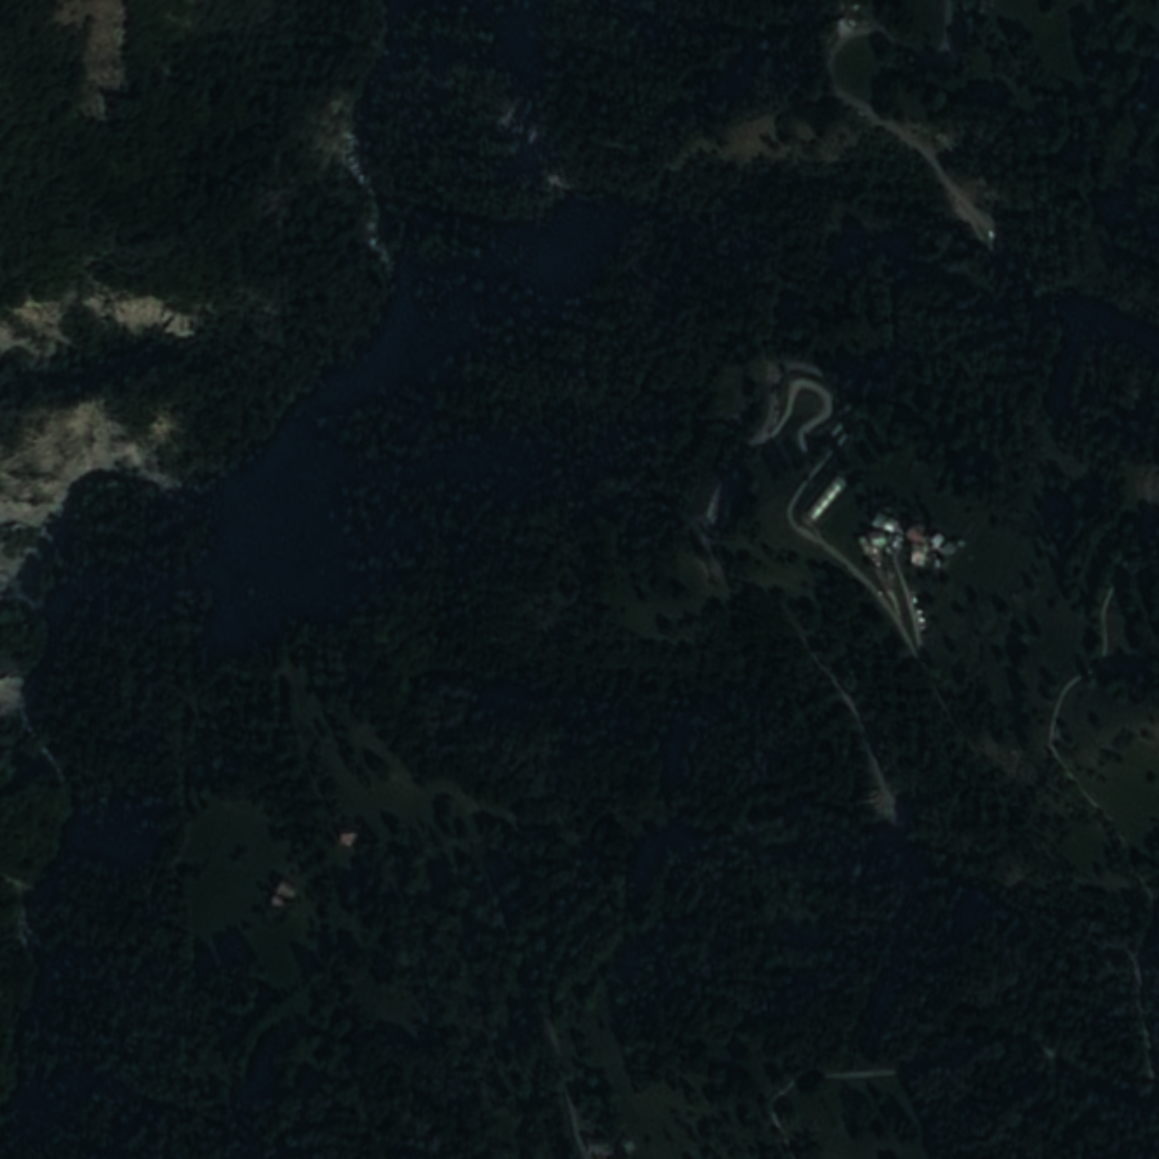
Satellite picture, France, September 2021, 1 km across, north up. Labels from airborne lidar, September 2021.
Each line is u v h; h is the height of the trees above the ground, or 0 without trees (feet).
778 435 0
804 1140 33
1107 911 57
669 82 64
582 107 73
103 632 100
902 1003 89
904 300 57
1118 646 0
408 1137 78
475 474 75
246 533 67
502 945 44
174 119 112
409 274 19
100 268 28
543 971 49
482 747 87
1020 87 34
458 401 91
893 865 65
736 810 72
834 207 71
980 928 53
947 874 65
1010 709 0
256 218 72
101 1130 71
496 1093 29
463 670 79
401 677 85
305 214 109
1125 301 39
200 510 84
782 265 79
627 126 64
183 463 44
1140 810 0
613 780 85
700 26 56
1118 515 67
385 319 29
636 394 79
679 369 88
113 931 108
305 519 90
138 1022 66
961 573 0
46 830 98
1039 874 39
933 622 18
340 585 74
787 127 41
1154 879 51
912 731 58
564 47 67
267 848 0
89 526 46
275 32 60
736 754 72
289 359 65
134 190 106
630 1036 68
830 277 49
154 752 108
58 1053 80
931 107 63
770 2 83
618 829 75
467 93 46
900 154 36
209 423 81
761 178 48
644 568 86
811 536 0
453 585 93
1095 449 41
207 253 59
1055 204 24
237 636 79
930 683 55
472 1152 102
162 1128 72
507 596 78
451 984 51
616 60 67
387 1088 97
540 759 79
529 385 66
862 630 26
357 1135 79
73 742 98
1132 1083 40
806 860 38
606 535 66
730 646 72
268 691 50
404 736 88
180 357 68
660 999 69
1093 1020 43
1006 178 56
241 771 93
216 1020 26
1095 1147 33
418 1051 69
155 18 52
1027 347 56
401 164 56
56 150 62
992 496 58
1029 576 0
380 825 0
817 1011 88
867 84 0
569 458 65
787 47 43
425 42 41
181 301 22
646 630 0
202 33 42
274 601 53
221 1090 48
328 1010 57
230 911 0
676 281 75
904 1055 63
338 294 73
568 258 29
